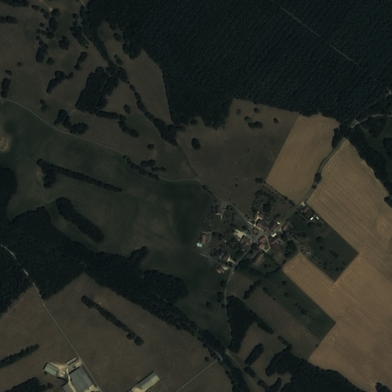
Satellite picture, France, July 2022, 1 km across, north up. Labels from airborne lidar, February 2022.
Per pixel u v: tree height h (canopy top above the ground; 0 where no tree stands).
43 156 0
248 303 0
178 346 0
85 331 0
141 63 0
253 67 14
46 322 0
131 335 8
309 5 12
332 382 18
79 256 20
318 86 10
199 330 13
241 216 0
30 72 0
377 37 17
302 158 0
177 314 17
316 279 0
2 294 15
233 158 0
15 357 13
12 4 11
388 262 0
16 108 0
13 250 18
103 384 0
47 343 0
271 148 0
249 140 0
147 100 0
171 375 0
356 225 0
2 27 0
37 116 0
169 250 0
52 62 14
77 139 0
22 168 0
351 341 0
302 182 0
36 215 15
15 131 0
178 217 0
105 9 21
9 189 13
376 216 0
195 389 0
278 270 6
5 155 0
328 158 0
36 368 0
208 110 19
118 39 13
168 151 0
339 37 15
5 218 19
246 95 13
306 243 0
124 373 0
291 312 0
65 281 14
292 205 8
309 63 10
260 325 13
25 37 0
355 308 0
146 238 0
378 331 0
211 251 0
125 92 0
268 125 0
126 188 0
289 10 13
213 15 11
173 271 0
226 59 8
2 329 0
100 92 12
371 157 26
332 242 0
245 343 0
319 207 0
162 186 0
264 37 10
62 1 0
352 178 0
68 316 0
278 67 15
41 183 0
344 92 13
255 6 9
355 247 0
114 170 0
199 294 0
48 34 11
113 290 11
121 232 0
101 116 13
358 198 0
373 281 0
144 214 0
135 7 21
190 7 11
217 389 0
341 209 0
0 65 0
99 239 15
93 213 0
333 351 0
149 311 11
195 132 0
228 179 0
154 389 0
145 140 0
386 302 0
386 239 0
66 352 0
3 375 0
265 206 12
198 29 10
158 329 0
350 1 15
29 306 0
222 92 8
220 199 0
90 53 0
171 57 16
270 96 15
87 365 0
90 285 0
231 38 10
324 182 0
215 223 0
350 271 0
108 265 18
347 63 15
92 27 15
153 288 19
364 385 0
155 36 18
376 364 0
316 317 0
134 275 21
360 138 12
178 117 15
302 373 18
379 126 16
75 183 0
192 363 0
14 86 0
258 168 0
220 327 0
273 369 12
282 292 0
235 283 0
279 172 0
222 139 0
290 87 14
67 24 0
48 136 0
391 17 22
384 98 8
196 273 0
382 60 18
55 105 0
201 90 16
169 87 14
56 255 13
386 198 8
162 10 12
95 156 0
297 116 0
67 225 0
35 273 15
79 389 0
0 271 13
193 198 0
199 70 7
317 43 15
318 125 0
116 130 0
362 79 15
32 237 16
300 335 0
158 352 0
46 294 15
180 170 0
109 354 0
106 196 0
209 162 0
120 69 14
